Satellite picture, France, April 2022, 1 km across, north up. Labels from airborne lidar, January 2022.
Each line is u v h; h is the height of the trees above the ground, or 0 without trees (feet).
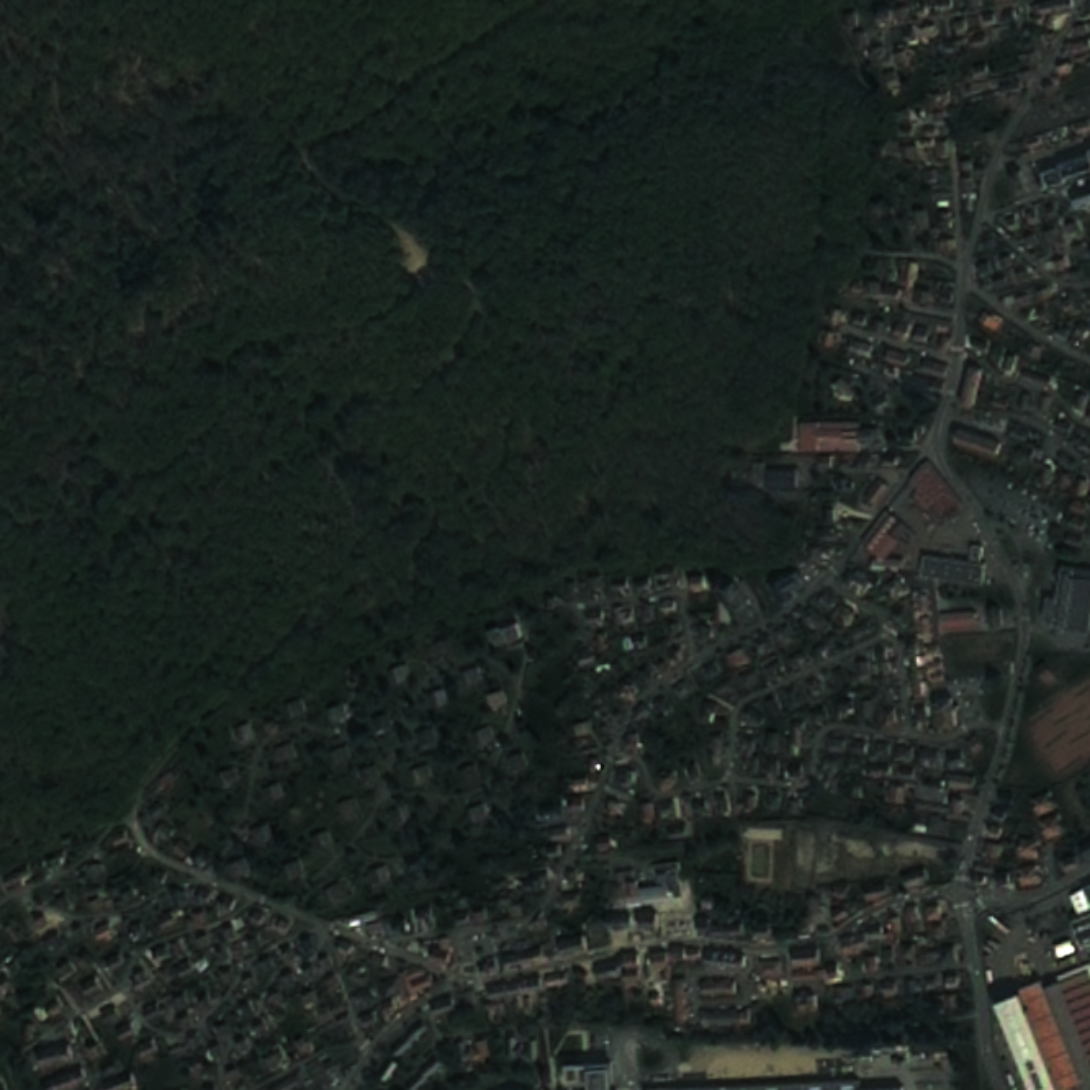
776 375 71
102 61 68
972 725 0
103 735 66
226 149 101
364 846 0
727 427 74
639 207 45
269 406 80
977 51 0
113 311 67
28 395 77
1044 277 0
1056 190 0
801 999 0
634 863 0
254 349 84
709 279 81
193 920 19
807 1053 0
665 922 0
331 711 0
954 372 0
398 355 54
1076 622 0
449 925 0
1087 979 0
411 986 0
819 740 0
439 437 62
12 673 72
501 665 0
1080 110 0
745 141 73
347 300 68
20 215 71
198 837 0
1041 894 0
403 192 87
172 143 116
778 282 80
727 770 0
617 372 65
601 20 72
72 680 60
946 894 0
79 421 99
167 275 65
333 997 0
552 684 0
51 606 69
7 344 83
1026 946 0
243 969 0
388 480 85
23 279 80
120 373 72
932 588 0
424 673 0
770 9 71
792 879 0
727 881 0
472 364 73
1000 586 0
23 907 0
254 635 58
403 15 79
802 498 0
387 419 64
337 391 72
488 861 40
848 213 79
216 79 100
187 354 71
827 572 0
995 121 24
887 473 0
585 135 80
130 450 62
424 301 64
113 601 79
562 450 68
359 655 54
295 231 63
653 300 72
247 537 67
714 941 0
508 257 73
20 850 58
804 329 63
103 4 70
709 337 81
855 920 0
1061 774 0
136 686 67
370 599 77
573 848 0
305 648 87
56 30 67
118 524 75
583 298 71
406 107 69
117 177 78
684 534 75
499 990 0
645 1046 0
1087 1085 0
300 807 0
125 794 64
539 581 51
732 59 77
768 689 0
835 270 73
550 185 78
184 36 73
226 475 78
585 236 67
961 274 0
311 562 63
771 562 53
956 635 0
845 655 0
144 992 25
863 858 0
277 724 21
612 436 72
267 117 84
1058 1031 0
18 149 72
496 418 67
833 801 0
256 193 59
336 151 80
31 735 50
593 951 0
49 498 52
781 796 0
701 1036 33
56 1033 0
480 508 76
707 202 78
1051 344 0
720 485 67
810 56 69
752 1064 0
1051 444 0
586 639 0
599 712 23
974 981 0
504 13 57
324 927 0
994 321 0
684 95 60
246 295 56
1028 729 0
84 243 75
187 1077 34
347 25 74
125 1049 0
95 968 0
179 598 72
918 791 0
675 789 0
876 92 93
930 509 0
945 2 0
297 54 66
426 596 70
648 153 73
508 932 0
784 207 75
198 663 56
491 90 88
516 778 0
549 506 72
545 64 69
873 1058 0
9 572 64
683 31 52
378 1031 0
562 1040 0
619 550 73
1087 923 0
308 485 62
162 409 60
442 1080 0
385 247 56
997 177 0
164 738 57
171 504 75
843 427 0
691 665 0
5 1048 43
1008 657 0
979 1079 0
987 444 0
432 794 0
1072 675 0
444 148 89
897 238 44
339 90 62
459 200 84
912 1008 23
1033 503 0
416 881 47
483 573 71
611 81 56
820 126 46
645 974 23
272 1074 0
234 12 78
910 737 0
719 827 0
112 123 82
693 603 0
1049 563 0
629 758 0
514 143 90
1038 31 39
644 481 71
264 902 0
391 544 72
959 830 0
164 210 90
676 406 81
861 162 75
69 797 54
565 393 76
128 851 26
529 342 88
